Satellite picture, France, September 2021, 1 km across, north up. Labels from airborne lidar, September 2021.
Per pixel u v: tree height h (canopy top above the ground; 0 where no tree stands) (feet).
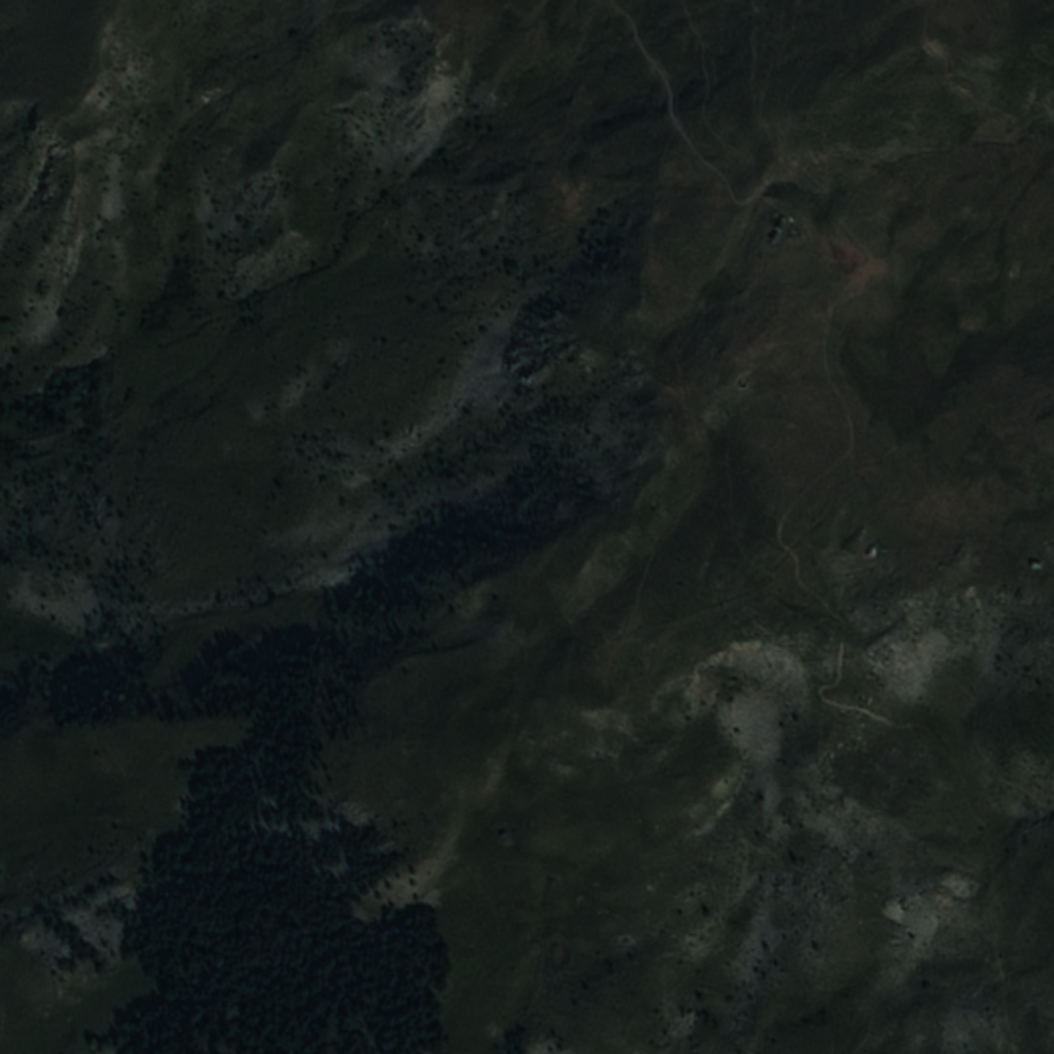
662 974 0
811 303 0
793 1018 0
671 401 0
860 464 0
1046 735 0
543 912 0
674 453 0
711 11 0
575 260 0
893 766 0
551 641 0
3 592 0
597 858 0
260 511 0
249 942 63
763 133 0
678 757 0
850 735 0
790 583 0
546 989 0
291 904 42
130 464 0
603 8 0
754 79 0
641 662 0
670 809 0
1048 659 0
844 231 0
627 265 0
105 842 0
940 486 0
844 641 0
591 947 0
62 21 0
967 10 0
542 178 0
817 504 0
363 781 0
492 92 0
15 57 0
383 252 0
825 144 0
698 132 0
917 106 0
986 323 0
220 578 0
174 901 49
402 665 0
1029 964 0
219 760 30
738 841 0
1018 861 0
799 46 0
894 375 0
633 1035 0
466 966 0
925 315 0
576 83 0
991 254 0
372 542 0
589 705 0
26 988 0
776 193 0
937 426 0
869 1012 0
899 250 0
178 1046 57
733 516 0
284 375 0
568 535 0
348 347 0
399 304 0
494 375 0
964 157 0
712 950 0
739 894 0
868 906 0
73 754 0
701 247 0
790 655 0
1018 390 0
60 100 0
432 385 0
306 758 26
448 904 0
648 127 0
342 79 0
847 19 0
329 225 0
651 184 0
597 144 0
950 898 0
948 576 0
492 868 0
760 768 0
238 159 0
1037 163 0
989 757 0
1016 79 0
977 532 0
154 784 0
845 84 0
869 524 0
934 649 0
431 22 0
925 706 0
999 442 0
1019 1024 0
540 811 0
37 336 0
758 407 0
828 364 0
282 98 0
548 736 0
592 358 0
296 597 0
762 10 0
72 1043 0
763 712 0
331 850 45
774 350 0
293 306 0
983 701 0
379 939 72
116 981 0
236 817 42
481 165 0
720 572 0
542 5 0
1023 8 0
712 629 0
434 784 0
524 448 0
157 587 0
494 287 0
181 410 0
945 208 0
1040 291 0
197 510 0
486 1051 0
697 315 0
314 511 0
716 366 0
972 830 0
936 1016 0
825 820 0
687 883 0
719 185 0
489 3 0
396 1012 45
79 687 41
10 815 0
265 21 0
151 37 0
